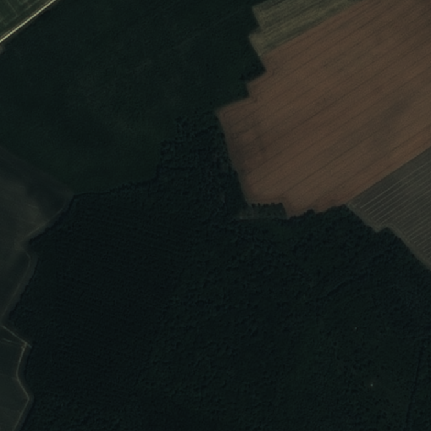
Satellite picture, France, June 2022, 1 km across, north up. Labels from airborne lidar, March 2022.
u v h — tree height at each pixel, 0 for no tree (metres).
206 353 17
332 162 0
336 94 0
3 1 0
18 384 0
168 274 15
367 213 0
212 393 18
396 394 0
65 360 15
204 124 12
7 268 0
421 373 18
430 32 0
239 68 0
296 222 16
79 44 0
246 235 15
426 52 0
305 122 0
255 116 0
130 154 0
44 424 15
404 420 0
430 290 19
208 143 16
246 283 21
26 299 11
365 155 0
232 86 0
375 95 0
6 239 0
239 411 23
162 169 20
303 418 10
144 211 8
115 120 0
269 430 9
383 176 0
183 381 23
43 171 0
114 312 14
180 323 18
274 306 22
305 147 0
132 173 0
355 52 0
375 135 0
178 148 18
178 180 19
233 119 0
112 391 12
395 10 0
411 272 13
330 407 11
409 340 16
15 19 0
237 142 0
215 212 13
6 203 0
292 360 9
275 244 17
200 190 19
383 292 16
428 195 0
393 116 0
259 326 20
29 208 0
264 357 19
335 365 14
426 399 19
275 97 0
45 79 0
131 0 0
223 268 19
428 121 0
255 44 0
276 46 0
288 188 0
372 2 0
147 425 16
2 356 0
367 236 13
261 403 17
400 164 0
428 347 17
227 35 0
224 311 20
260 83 0
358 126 0
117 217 10
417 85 0
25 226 0
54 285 13
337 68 0
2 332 0
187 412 19
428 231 0
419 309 17
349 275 13
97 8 0
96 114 0
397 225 0
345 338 0
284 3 0
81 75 0
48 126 0
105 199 14
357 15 0
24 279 0
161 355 17
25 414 0
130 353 13
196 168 16
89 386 14
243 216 0
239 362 19
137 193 15
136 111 0
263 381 16
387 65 0
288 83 0
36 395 14
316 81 0
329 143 0
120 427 17
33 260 0
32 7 0
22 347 0
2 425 0
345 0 0
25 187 0
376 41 0
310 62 0
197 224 12
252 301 21
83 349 13
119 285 13
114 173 0
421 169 0
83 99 0
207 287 20
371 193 0
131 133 0
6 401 0
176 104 0
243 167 0
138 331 16
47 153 0
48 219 0
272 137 0
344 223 18
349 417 8
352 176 0
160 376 20
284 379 8
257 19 0
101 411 14
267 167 0
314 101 0
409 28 0
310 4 0
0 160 0
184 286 18
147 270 15
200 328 19
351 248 16
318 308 14
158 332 17
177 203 18
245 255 14
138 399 17
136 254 15
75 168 0
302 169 0
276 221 10
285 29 0
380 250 13
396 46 0
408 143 0
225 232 21
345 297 16
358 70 0
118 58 0
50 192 0
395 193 0
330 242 6
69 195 0
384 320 14
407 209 0
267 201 0
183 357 23
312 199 0
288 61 0
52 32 0
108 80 0
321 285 6
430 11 0
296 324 12
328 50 0
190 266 17
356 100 0
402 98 0
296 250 19
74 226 15
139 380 16
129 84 0
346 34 0
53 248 9
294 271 13
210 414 19
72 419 14
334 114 0
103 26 0
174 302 20
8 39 0
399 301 20
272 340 22
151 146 0
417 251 0
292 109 0
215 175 14
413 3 0
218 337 20
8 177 0
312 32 0
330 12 0
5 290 0
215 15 0
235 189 17
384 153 0
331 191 0
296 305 18
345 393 13
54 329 13
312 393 9
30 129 0
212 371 23
